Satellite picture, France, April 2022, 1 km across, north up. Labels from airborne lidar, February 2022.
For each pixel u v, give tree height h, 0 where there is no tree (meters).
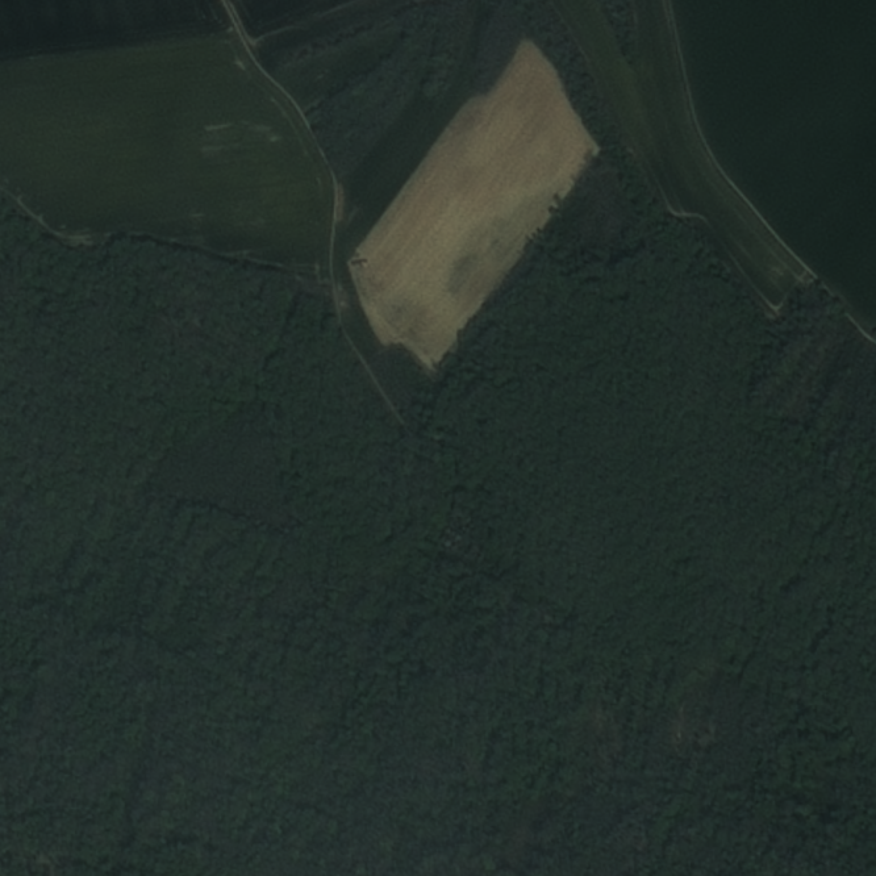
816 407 17
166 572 28
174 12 0
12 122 0
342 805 25
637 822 26
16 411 32
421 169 0
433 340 0
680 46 0
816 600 31
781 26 0
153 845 19
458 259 0
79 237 0
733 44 0
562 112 0
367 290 0
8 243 24
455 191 0
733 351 25
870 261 0
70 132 0
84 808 21
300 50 0
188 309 24
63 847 22
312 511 24
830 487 29
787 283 0
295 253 0
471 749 28
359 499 26
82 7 0
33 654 16
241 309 24
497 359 27
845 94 0
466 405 29
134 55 0
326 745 20
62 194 0
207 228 0
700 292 30
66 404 25
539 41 17
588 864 22
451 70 10
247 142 0
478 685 23
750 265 0
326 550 27
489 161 0
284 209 0
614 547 25
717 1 0
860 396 17
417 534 28
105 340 22
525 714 30
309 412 24
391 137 0
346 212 0
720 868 20
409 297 0
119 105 0
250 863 19
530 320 26
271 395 27
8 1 0
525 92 0
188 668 29
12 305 28
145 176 0
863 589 27
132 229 0
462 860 29
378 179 0
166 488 14
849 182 0
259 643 24
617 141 12
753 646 27
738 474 29
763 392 27
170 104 0
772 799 22
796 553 25
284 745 28
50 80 0
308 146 0
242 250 0
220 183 0
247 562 27
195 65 0
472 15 0
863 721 29
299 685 24
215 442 20
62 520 26
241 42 0
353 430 28
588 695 14
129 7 0
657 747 23
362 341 0
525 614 28
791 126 0
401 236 0
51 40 0
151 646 27
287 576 20
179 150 0
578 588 29
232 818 21
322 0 0
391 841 31
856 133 0
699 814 16
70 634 30
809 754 27
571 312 28
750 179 0
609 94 0
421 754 24
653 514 24
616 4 22
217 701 27
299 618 29
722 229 0
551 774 11
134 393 23
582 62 13
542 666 32
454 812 14
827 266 0
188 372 24
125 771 24
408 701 23
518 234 0
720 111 0
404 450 27
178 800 30
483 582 24
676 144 0
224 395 27
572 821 18
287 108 0
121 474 29
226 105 0
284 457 23
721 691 19
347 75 0
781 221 0
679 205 0
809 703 29
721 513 28
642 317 28
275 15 0
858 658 29
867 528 24
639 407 25
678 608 23
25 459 27
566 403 26
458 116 0
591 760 16
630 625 26
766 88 0
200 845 23
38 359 25
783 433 22
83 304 23
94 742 23
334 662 17
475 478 26
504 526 27
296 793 15
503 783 27
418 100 0
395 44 0
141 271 22
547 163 0
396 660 25
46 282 22
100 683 26
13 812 18
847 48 0
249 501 13
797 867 29
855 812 22
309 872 23
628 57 14
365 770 25
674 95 0
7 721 20
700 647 27
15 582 26
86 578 27
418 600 26
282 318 23
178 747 17
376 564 30
